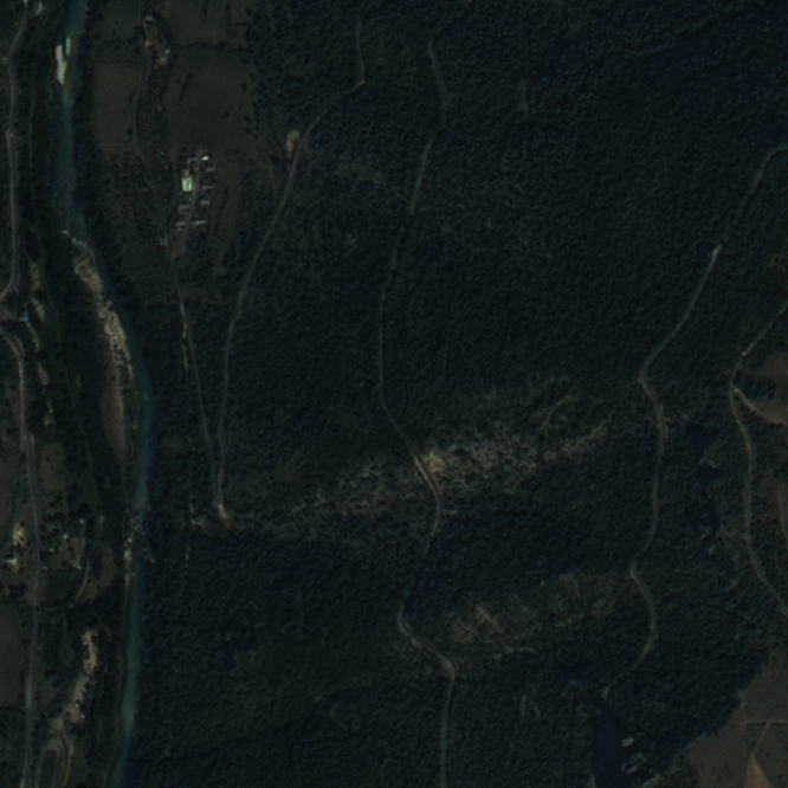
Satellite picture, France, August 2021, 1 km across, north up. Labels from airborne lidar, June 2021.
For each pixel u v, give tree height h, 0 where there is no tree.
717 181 10
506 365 7
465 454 11
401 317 6
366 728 10
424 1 15
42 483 8
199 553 10
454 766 6
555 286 8
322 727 11
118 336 0
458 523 6
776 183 9
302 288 8
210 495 8
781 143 8
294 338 7
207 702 10
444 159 7
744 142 7
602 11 11
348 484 7
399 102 9
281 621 10
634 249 8
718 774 0
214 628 12
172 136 0
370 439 6
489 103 7
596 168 7
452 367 8
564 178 10
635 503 7
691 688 7
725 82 9
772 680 0
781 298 9
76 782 0
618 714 8
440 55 9
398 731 6
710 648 6
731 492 8
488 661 7
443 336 13
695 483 8
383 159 9
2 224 7
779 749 0
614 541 5
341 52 9
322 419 7
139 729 13
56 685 13
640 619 9
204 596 9
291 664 14
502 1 9
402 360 7
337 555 11
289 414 9
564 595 6
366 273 10
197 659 10
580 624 7
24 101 11
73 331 10
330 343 6
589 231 8
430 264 8
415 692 12
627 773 13
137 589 0
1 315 0
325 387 9
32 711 0
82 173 13
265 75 8
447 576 12
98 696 10
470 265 9
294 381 8
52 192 0
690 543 7
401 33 7
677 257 8
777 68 8
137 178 7
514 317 9
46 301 16
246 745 10
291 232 5
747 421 9
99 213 9
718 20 12
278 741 12
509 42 12
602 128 7
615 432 10
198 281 9
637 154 7
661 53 8
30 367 12
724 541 16
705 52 8
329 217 7
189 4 0
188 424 8
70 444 10
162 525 11
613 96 8
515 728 8
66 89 0
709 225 13
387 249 10
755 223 11
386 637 7
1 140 7
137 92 0
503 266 9
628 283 9
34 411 13
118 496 0
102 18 9
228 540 8
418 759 9
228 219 0
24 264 8
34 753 6
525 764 7
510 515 12
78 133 15
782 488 0
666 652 8
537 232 8
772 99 8
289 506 6
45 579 0
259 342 8
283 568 10
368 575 8
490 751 7
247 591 10
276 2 11
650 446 9
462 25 14
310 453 9
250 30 8
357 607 8
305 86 9
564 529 7
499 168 6
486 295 9
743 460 8
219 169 0
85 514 16
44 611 6
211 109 0
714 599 9
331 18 9
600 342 7
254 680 8
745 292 8
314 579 10
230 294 10
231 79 0
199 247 6
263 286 6
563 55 15
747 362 8
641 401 12
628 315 8
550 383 6
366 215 7
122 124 0
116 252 17
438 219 7
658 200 6
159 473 21
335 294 8
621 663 6
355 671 10
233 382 8
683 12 19
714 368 7
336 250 7
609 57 16
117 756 0
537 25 18
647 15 15
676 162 6
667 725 9
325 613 12
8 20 10
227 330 6
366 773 6
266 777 9
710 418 9
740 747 0
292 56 10
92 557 8
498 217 7
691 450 11
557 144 15
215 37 0
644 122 7
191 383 8
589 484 6
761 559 8
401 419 15
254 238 8
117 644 11
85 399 12
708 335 6
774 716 0
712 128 9
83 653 16
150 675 11
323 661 14
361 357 9
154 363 16
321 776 11
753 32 8
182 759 6
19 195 11
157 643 18
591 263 8
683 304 7
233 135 0
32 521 0
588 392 7
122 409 0
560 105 9
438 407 7
